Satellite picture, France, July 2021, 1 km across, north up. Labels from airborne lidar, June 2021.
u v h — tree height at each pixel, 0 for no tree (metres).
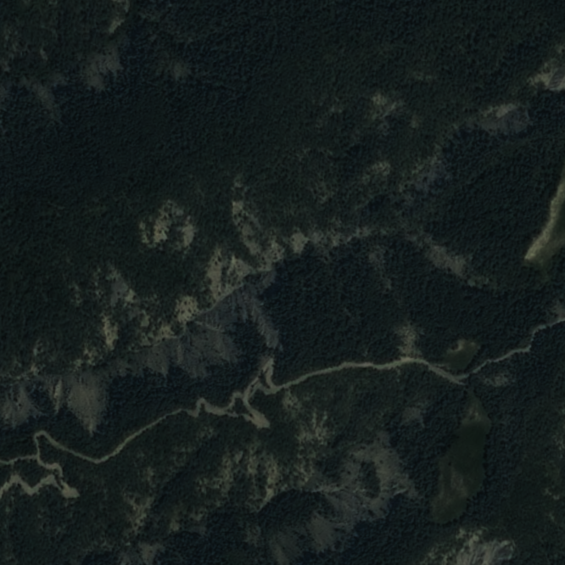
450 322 11
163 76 17
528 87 6
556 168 8
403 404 7
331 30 6
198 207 7
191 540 13
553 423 15
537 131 11
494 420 13
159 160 7
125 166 12
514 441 7
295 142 6
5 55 14
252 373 11
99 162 15
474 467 0
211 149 6
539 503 6
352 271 10
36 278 9
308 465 7
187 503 8
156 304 8
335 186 13
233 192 8
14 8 6
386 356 5
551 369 6
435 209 8
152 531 9
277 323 7
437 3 14
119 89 11
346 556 7
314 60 11
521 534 10
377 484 6
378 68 6
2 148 8
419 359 0
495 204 15
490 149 10
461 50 10
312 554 6
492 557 0
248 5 18
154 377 9
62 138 14
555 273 17
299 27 16
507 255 11
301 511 10
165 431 8
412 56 11
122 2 7
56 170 17
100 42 21
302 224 8
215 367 8
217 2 9
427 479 12
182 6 6
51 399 7
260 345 9
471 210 16
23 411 0
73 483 8
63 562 14
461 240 10
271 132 9
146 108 12
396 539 7
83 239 9
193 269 6
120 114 13
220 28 12
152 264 11
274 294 15
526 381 12
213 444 6
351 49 8
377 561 10
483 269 9
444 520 0
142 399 13
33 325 9
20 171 11
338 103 8
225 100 13
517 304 19
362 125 10
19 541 12
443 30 14
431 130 11
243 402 5
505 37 11
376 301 10
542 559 11
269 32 14
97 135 15
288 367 10
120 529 8
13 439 11
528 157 6
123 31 11
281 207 7
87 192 11
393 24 7
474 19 12
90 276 9
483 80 8
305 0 14
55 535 7
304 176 6
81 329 7
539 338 9
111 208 9
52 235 7
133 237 8
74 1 6
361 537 8
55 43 20
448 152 13
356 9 13
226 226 11
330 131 13
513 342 9
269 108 11
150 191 10
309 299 14
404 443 15
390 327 6
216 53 14
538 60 5
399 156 7
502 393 8
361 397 11
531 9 6
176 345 0
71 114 14
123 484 8
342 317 9
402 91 10
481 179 16
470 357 0
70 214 8
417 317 11
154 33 8
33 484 6
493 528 8
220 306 0
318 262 13
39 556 11
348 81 11
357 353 10
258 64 10
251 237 6
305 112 15
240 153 8
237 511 10
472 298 16
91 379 0
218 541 10
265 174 9
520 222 15
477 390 10
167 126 14
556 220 0
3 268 6
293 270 9
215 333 0
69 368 7
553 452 8
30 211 10
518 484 7
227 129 5
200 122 12
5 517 7
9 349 8
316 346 16
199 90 12
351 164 13
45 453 8
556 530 6
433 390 10
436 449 11
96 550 6
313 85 11
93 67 0
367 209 6
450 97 8
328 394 6
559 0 19
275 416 7
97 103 16
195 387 13
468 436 0
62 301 8
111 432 11
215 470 7
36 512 8
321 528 0
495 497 10
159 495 14
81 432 11
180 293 9
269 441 6
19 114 9
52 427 11
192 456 7
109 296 7
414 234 11
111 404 7
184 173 10
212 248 6
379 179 7
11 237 10
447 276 10
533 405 8
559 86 0
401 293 8
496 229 13
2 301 7
